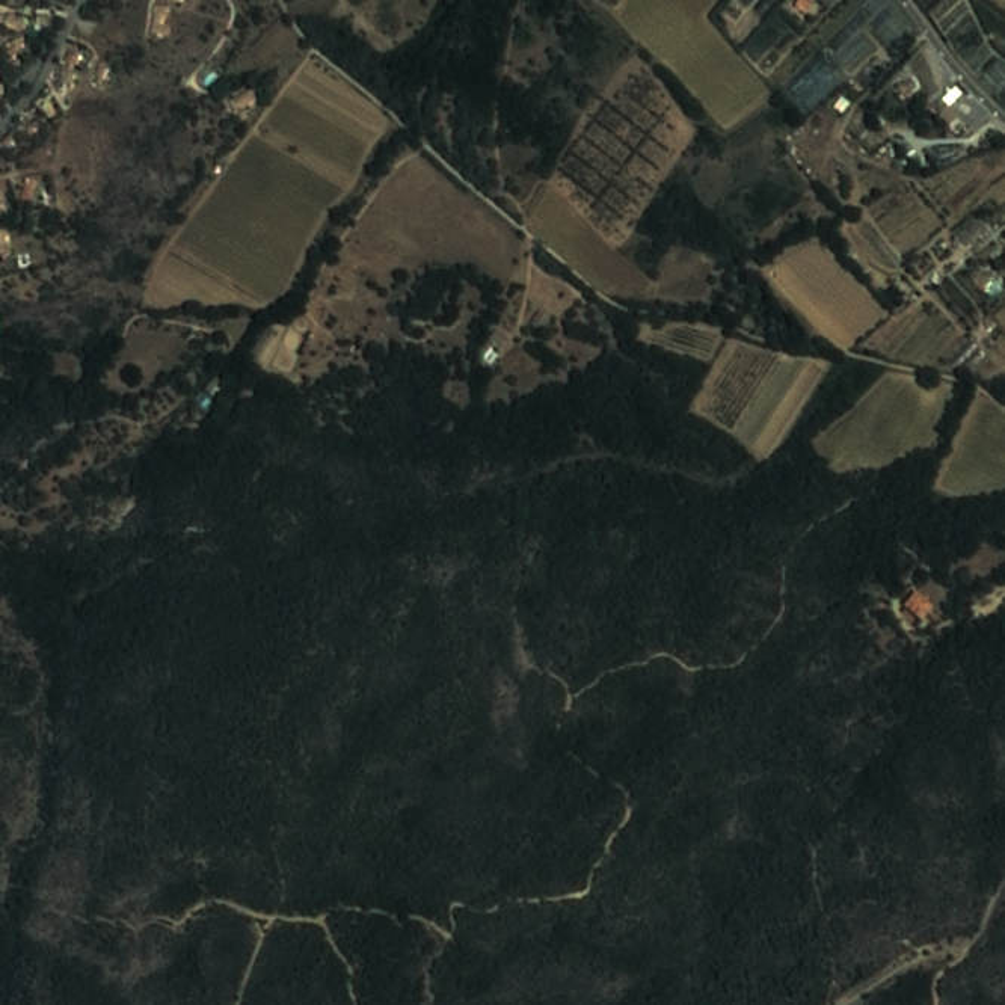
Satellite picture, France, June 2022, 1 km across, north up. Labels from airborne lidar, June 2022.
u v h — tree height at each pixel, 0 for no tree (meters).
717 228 9
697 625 6
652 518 12
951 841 7
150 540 8
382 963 8
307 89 0
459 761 8
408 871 6
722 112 0
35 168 0
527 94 10
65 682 6
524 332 8
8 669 9
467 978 8
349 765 9
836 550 10
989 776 9
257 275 0
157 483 13
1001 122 0
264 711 8
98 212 6
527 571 7
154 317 9
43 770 7
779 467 13
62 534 7
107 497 7
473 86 10
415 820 8
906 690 8
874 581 8
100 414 8
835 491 8
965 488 0
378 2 0
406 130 9
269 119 0
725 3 10
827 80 0
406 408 11
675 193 9
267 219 0
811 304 0
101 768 6
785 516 10
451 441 13
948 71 0
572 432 8
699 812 8
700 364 11
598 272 0
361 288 0
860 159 0
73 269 0
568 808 8
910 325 0
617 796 10
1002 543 9
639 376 8
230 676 8
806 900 11
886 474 12
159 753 6
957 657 6
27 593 11
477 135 10
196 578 7
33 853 7
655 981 9
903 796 6
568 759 8
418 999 7
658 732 9
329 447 7
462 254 0
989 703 6
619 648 9
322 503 7
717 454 8
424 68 11
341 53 10
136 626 7
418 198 0
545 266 11
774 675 8
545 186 0
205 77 0
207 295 0
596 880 6
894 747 8
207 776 7
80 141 0
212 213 0
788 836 6
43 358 12
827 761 5
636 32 0
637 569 8
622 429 12
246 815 8
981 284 0
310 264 11
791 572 6
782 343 17
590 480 17
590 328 8
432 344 6
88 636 6
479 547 8
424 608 6
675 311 9
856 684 8
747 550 8
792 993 10
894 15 0
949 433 10
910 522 12
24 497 9
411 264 0
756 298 13
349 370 13
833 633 6
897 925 0
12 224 11
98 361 17
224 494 6
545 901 7
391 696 8
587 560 8
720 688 7
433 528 6
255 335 8
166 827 6
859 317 0
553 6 12
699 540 7
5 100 10
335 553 7
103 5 6
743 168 0
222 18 0
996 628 14
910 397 0
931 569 9
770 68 0
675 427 9
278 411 9
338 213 14
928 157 9
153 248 7
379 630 7
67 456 8
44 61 9
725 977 8
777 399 0
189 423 5
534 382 0
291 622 8
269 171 0
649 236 10
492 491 7
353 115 0
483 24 14
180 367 8
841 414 10
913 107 14
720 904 8
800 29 8
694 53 0
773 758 8
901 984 8
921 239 0
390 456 7
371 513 7
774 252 15
